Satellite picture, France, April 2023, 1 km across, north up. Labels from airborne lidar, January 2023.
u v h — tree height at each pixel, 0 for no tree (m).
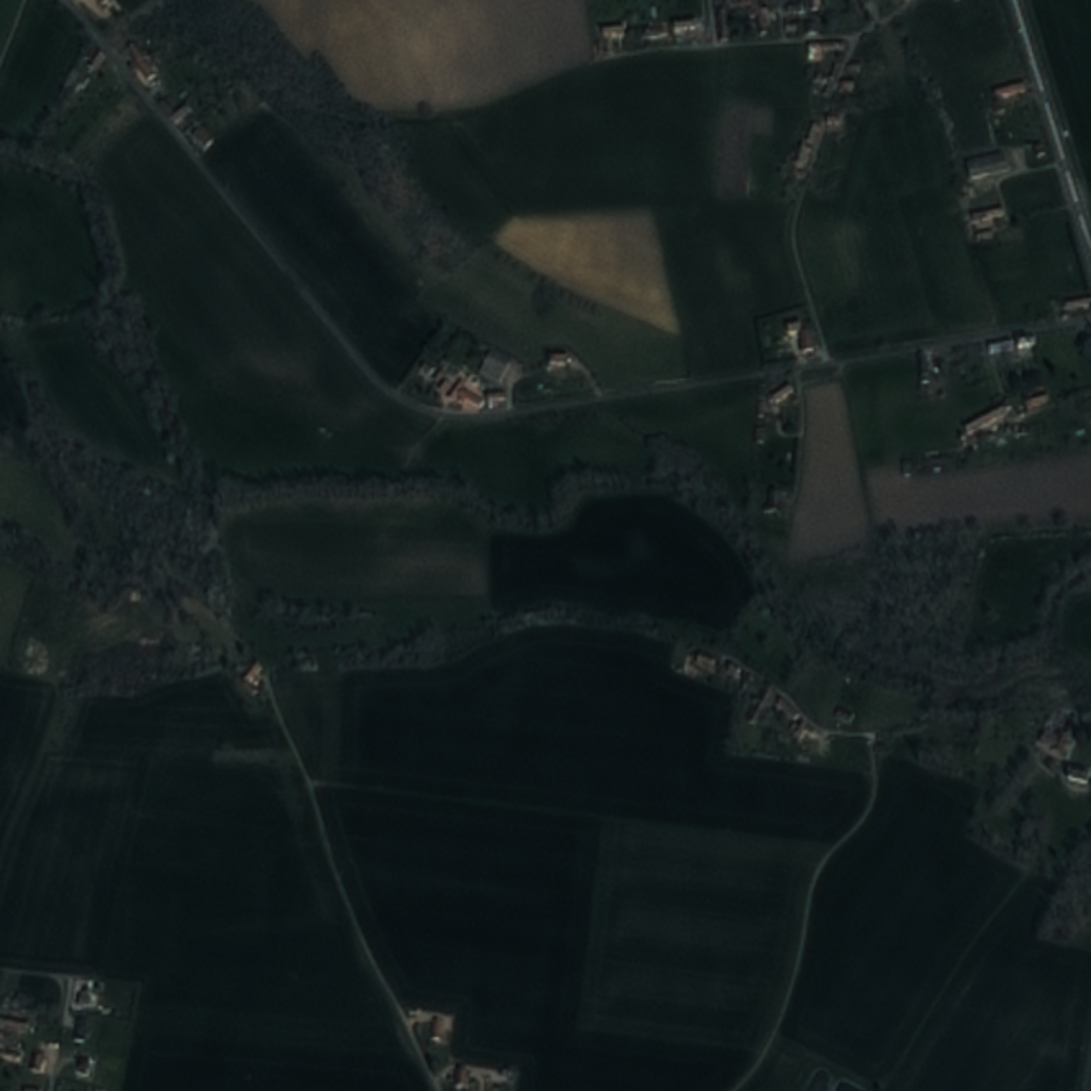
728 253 0
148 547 15
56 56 0
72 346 0
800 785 0
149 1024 0
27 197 0
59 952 0
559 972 0
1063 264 0
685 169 0
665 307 0
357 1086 0
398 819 0
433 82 0
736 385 0
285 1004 0
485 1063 0
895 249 0
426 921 0
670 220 0
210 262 0
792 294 0
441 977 0
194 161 0
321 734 0
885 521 0
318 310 0
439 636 16
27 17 0
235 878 0
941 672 19
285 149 0
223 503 33
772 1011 0
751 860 0
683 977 0
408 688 0
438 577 0
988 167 0
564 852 0
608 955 0
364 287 0
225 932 0
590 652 0
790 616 18
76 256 0
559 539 0
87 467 14
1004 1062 0
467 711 0
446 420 0
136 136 0
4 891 0
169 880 0
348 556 0
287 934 0
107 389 0
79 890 0
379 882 0
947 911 0
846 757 0
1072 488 0
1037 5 0
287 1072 0
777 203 0
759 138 0
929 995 0
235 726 0
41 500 0
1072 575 19
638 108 0
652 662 0
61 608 0
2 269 0
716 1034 0
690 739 0
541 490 0
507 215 0
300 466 0
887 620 17
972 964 0
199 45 12
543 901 0
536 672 0
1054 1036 0
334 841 0
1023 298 0
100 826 0
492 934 0
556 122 0
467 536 0
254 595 0
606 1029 0
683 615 0
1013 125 0
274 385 0
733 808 0
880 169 0
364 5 0
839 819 0
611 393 0
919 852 0
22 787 0
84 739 0
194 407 0
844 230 0
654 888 0
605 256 0
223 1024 0
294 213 0
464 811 0
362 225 0
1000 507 0
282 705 0
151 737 0
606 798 0
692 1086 0
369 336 0
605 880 0
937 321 0
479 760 0
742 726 8
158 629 0
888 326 0
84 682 11
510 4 0
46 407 16
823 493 0
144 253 0
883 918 0
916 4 0
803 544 0
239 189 0
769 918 0
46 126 14
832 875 0
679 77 0
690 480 14
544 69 0
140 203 0
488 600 0
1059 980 0
